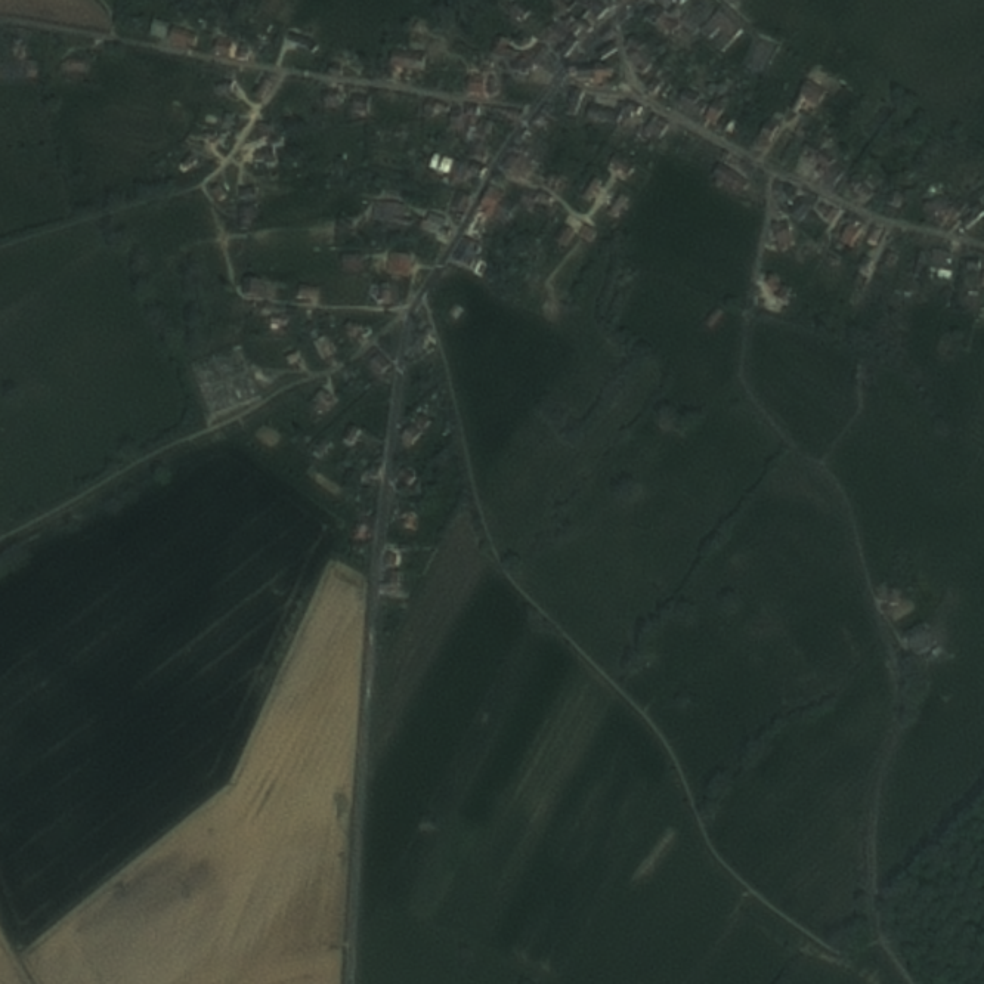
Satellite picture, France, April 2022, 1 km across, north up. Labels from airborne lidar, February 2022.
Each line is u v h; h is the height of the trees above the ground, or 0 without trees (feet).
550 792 0
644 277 0
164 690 0
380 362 0
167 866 0
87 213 55
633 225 0
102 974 0
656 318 0
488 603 0
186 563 0
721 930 0
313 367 0
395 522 0
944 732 0
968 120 0
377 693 0
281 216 0
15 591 0
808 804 0
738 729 0
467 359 0
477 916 0
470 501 42
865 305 54
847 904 0
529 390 0
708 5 0
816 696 0
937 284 0
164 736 0
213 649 0
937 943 80
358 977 0
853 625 0
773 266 0
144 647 0
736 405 32
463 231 0
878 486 0
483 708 0
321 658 0
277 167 0
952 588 0
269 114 26
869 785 0
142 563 0
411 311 0
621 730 0
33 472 0
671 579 0
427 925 0
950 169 0
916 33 0
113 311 0
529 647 0
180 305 0
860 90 0
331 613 0
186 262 0
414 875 0
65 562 0
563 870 0
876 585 0
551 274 0
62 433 0
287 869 0
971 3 0
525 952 0
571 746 0
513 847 0
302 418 0
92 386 0
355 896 0
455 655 0
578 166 28
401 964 0
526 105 0
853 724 0
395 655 0
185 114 0
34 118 0
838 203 0
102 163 0
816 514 0
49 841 0
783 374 0
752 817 0
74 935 0
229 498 0
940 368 0
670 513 0
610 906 0
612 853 0
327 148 0
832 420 0
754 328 0
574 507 0
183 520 0
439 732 0
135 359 0
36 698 0
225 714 0
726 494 0
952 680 0
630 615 0
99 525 0
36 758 0
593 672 0
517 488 0
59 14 0
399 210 0
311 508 0
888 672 0
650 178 0
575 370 0
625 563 0
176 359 38
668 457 0
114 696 0
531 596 0
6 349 0
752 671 0
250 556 0
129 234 59
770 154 0
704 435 0
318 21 0
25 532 0
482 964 0
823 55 0
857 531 0
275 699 0
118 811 0
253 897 0
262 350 0
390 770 0
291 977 0
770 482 0
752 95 26
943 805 0
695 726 0
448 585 0
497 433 0
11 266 0
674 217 0
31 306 0
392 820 0
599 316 18
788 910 0
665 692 0
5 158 0
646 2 0
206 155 0
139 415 0
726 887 0
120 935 0
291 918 0
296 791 0
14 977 0
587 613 0
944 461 0
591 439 0
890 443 0
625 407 0
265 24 0
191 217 0
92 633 0
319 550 0
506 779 0
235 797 0
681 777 0
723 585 0
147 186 48
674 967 0
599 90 0
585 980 0
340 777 0
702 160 0
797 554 0
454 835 0
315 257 0
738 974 0
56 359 0
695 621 41
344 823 0
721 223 0
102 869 0
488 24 0
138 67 0
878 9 0
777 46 0
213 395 0
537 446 0
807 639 0
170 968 0
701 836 0
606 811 0
